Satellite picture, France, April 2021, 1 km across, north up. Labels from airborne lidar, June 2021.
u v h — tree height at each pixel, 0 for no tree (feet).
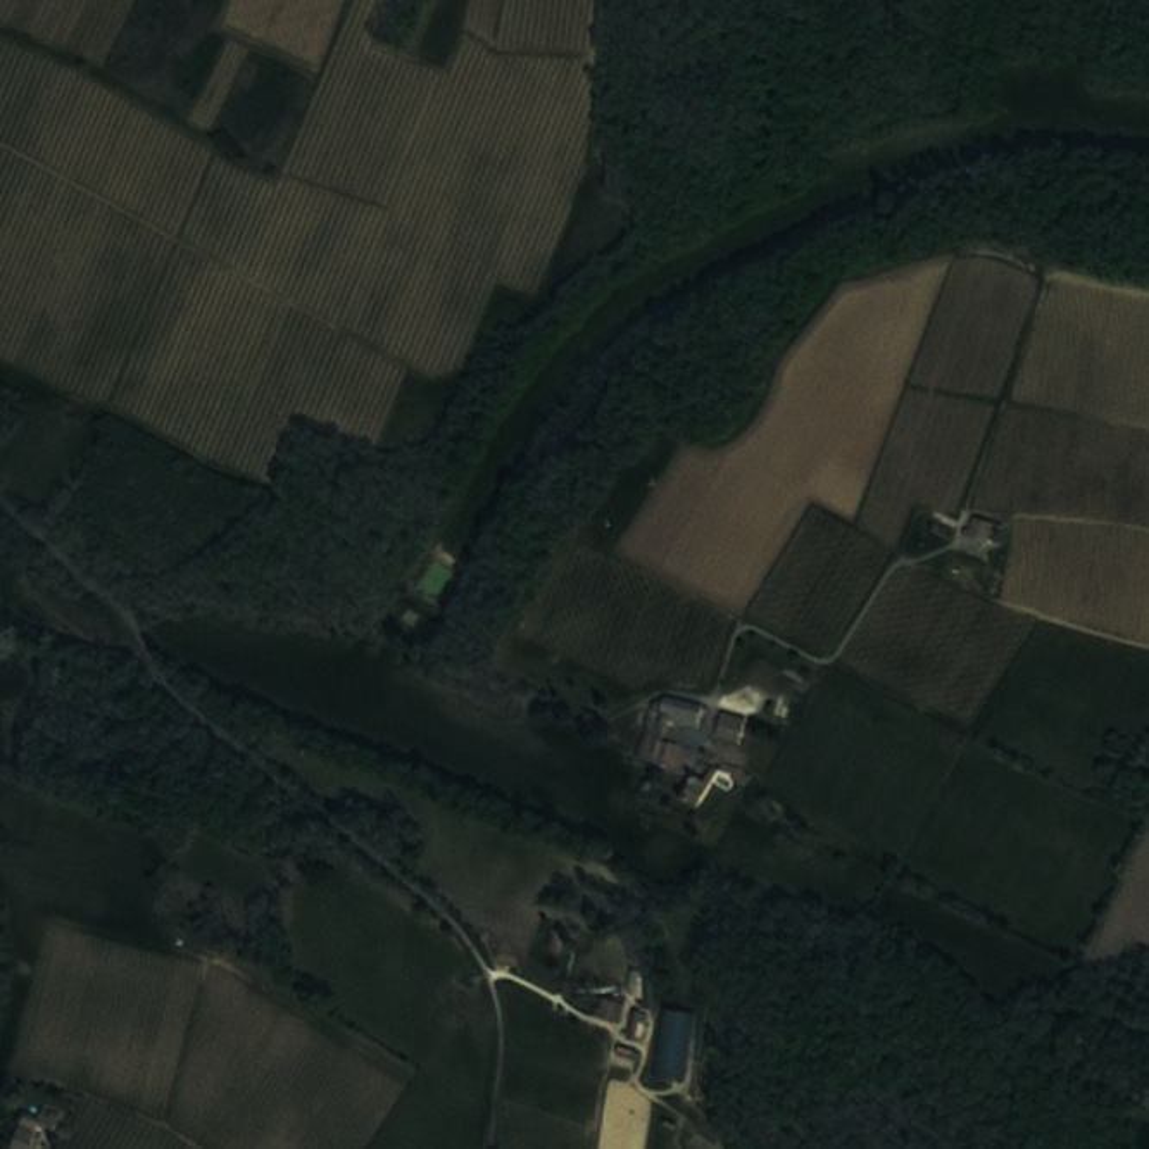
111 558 53
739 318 78
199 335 0
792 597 0
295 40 0
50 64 0
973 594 0
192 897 0
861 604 0
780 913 80
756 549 0
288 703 0
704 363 72
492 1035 0
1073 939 0
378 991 0
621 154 52
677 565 0
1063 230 80
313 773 0
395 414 0
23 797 0
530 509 67
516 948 0
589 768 0
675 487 0
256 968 27
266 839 49
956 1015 69
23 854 0
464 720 0
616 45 65
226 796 66
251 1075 0
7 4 0
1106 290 0
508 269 0
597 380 68
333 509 60
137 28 0
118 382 0
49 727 65
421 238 0
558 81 0
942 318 0
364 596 48
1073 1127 81
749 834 0
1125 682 0
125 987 0
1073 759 0
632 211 46
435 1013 0
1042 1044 69
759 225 0
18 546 75
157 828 44
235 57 0
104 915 0
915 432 0
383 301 0
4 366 0
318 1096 0
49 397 0
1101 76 61
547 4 0
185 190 0
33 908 0
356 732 0
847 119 64
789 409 0
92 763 43
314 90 0
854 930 66
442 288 0
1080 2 72
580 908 78
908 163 0
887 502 0
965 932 0
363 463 54
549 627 0
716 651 0
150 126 0
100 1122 0
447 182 0
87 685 64
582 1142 0
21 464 0
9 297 0
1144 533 0
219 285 0
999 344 0
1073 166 71
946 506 0
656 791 28
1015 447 0
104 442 33
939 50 66
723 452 0
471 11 0
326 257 0
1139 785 57
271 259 0
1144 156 55
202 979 0
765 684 0
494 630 69
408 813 73
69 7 0
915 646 0
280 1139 0
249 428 0
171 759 57
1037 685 0
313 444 73
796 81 82
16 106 0
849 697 0
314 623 48
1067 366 0
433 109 0
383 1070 0
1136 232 83
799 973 90
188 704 52
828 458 0
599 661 0
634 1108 0
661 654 0
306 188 0
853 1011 82
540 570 45
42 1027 0
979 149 0
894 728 0
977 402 0
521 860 0
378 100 0
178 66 0
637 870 55
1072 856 0
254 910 38
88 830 0
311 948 0
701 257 0
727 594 0
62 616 0
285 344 0
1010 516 0
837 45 70
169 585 43
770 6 82
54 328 0
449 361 0
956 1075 71
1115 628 0
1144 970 32
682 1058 0
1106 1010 58
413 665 56
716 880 44
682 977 0
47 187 0
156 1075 0
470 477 77
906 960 68
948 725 0
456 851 0
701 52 0
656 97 59
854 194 0
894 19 64
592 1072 0
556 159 0
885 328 0
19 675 0
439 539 76
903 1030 73
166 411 0
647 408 66
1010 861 0
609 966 0
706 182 78
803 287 77
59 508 50
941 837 0
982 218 75
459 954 0
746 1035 76
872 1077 66
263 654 0
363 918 0
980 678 0
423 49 0
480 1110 0
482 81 0
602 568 0
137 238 0
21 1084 25
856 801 0
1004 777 0
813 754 0
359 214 0
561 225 0
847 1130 68
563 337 67
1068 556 0
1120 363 0
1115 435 0
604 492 65
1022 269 0
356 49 0
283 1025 0
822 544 0
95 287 0
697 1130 0
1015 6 51
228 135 26
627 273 67
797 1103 74
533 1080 0
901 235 70
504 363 32
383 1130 0
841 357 0
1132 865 26
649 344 61
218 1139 0
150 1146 0
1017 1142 74
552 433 71
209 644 0
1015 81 0
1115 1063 80
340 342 0
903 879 36
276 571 70
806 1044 70
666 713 0
